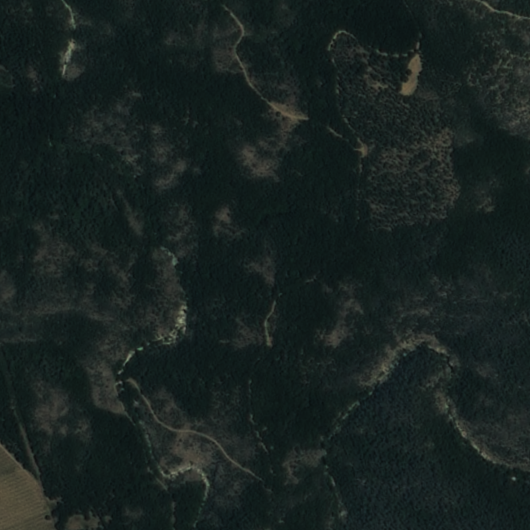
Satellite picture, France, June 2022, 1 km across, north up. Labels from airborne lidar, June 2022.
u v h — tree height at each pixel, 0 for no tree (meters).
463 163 15
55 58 9
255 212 18
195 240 7
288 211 6
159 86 13
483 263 7
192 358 12
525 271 17
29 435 9
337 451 7
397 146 13
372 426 6
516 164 13
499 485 13
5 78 8
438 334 10
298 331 11
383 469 6
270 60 10
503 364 6
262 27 7
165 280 7
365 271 14
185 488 11
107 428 19
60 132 7
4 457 0
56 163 9
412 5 7
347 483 9
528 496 11
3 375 13
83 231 16
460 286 8
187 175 9
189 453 0
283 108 0
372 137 12
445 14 8
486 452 0
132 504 12
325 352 7
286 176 8
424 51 11
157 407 6
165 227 7
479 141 7
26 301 15
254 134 9
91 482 12
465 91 8
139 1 7
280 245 10
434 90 6
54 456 6
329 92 10
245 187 14
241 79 10
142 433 13
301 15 8
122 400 17
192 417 10
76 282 8
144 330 7
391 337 6
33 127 15
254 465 7
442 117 10
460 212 13
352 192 8
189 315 10
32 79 6
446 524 19
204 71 10
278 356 12
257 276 8
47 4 7
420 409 18
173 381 11
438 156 10
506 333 6
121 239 11
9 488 0
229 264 12
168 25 10
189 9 9
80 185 8
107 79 9
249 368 15
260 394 11
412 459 9
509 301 9
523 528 19
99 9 10
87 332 6
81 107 11
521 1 6
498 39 6
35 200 15
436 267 11
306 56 16
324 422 11
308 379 10
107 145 10
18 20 9
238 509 12
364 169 7
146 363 8
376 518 17
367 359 6
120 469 17
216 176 18
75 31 10
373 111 12
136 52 10
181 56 6
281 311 8
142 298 9
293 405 17
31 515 0
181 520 11
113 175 6
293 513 11
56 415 0
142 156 7
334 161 16
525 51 6
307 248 16
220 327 9
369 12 17
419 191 12
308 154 13
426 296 6
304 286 13
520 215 16
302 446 8
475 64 7
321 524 7
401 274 8
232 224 6
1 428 20
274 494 8
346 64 12
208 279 13
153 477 12
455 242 13
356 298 7
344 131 13
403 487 17
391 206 11
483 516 18
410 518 8
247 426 9
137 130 7
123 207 10
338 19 18
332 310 11
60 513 18
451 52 8
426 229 10
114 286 10
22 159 7
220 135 11
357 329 7
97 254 6
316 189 18
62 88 16
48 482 13
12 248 8
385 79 13
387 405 16
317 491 8
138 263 13
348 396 6
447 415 8
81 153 10
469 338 10
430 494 16
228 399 7
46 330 6
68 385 12
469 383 17
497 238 9
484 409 8
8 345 7
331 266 16
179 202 6
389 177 10
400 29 18
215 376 11
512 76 9
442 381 13
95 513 11
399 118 12
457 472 17
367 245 14
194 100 12
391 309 10
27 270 9
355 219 14
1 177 9
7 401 10
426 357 17
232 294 11
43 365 19
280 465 10
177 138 8
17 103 13
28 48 11
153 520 10
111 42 9
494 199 7
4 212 7
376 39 14
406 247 12
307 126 7
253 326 6
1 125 11
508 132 8
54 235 9
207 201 13
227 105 7
